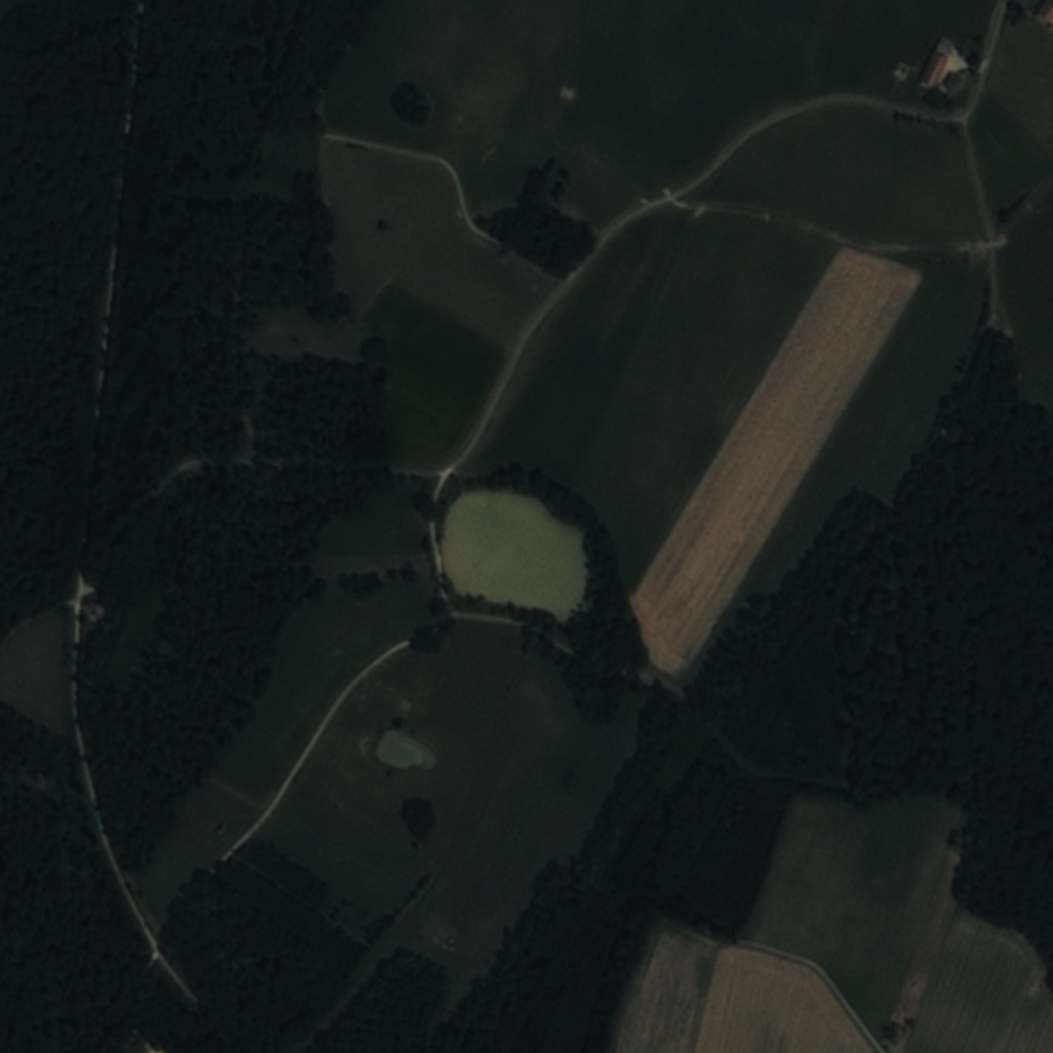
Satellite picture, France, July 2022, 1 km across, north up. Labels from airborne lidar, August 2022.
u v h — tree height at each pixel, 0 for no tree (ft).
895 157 0
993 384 53
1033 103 0
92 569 75
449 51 0
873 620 89
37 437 31
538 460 0
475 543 0
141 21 43
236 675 68
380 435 61
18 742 61
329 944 43
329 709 0
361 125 0
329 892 22
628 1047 0
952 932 0
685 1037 0
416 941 0
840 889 0
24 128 56
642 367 0
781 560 0
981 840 71
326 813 0
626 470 0
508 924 0
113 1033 66
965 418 66
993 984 0
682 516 0
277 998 98
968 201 0
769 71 0
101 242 54
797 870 0
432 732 0
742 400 0
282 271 71
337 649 0
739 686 84
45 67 69
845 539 76
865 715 83
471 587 0
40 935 74
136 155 45
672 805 71
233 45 24
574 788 0
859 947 0
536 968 50
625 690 53
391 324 0
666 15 0
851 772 21
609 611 73
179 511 63
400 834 0
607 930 28
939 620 80
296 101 116
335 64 64
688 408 0
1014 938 0
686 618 0
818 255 0
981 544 84
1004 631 82
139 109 48
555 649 60
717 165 0
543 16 0
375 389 48
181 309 79
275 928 70
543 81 0
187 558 59
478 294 0
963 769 83
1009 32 0
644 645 71
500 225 39
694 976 0
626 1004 0
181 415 81
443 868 0
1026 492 75
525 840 0
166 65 80
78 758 56
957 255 0
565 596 0
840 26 0
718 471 0
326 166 0
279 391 38
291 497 47
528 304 0
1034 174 0
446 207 0
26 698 0
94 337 74
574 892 47
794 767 31
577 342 0
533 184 37
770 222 0
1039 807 94
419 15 0
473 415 0
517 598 0
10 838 73
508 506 0
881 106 0
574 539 0
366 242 0
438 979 70
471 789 0
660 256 0
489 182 0
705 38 0
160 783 79
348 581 41
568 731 0
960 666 84
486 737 0
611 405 0
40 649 0
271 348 0
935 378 0
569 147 0
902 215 0
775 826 22
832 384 0
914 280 0
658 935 0
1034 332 0
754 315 0
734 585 0
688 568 0
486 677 0
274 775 0
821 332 0
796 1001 0
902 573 91
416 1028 68
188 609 56
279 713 0
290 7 64
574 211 0
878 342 0
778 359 0
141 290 30
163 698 59
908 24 0
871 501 65
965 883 66
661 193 0
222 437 78
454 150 0
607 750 0
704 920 65
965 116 0
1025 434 82
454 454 0
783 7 0
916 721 27
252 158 55
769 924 0
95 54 65
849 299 0
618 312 0
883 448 0
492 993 58
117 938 82
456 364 0
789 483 0
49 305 59
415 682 0
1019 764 75
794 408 0
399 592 0
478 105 0
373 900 0
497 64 0
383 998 71
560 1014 25
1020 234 0
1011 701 70
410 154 0
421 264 0
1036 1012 0
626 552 0
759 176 0
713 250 0
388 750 0
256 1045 70
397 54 0
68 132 69
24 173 67
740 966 0
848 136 0
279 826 0
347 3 81
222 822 0
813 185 0
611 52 0
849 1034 0
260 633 64
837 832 0
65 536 53
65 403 50
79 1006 44
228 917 101
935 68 0
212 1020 61
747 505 0
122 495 49
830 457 0
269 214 83
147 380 38
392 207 0
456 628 35
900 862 0
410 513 0
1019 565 90
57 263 63
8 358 50
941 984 0
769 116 0
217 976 88
